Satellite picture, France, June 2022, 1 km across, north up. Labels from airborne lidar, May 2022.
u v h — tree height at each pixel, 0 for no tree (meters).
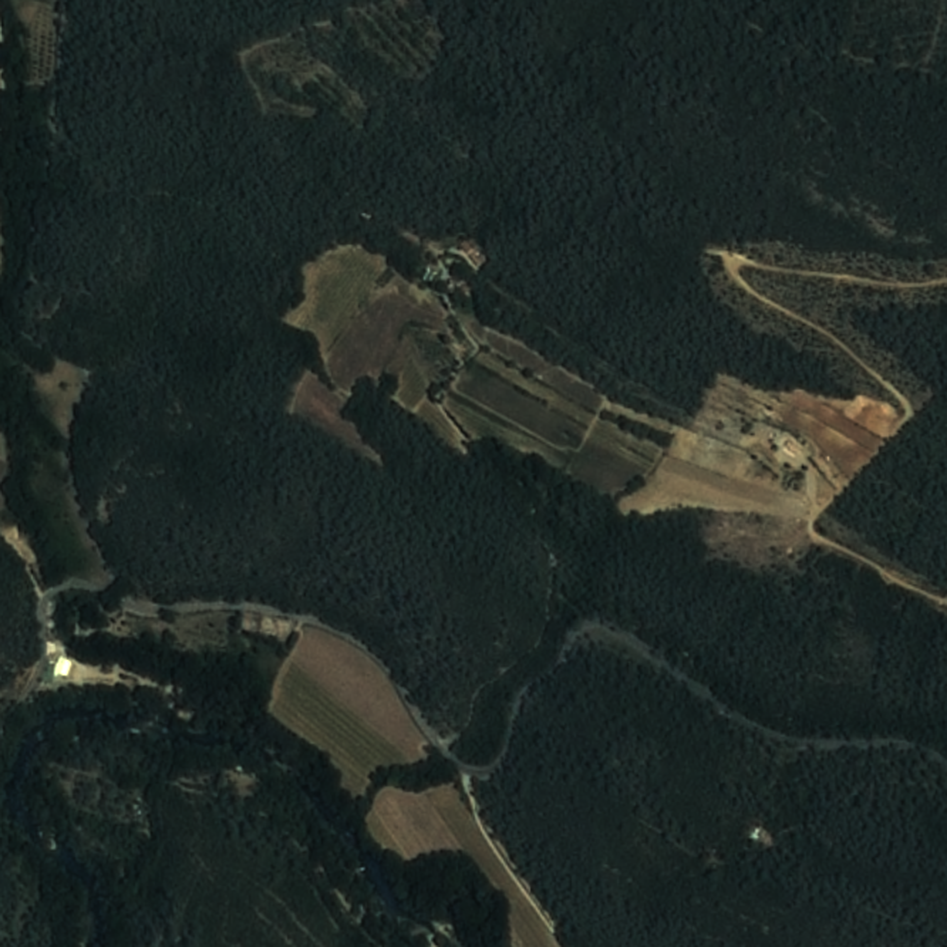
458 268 13
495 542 18
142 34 18
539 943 0
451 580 7
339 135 19
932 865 20
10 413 19
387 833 0
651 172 9
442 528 20
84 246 19
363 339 0
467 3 16
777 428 0
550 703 7
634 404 9
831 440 0
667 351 20
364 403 17
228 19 16
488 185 15
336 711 0
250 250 13
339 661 0
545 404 8
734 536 0
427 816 0
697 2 19
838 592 15
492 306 13
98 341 8
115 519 7
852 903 18
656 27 9
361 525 15
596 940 14
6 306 20
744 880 6
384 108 9
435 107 16
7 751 13
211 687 30
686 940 19
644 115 7
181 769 13
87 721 9
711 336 14
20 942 10
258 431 7
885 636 6
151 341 7
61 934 14
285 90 18
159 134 17
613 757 15
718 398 0
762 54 17
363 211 19
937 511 15
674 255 8
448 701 12
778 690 9
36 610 8
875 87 12
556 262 14
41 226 12
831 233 5
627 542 17
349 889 10
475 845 0
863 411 0
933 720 15
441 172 18
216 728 17
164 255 14
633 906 19
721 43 9
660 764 6
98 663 12
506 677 8
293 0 14
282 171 18
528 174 20
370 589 7
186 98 9
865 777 6
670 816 17
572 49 9
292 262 17
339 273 0
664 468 0
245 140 16
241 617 14
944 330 23
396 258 14
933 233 6
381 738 0
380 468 8
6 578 10
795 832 11
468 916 27
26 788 15
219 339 7
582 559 18
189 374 8
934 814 7
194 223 13
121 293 17
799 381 7
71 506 0
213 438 6
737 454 0
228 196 14
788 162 6
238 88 17
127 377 9
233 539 15
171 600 11
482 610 6
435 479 18
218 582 10
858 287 8
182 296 10
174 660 13
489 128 19
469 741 12
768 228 13
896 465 6
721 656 13
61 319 15
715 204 7
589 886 12
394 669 13
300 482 17
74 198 16
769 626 6
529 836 7
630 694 9
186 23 22
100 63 9
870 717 10
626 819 6
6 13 19
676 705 12
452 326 9
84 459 17
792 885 16
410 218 18
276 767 14
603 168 23
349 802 19
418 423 23
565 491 16
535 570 17
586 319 17
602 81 10
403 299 0
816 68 18
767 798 12
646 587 13
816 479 0
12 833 9
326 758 18
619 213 18
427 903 19
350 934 10
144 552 7
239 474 10
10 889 16
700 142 7
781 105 8
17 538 0
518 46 22
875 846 17
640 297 12
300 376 19
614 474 0
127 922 13
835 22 16
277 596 16
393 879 19
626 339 16
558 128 20
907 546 8
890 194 6
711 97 8
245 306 13
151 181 17
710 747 12
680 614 17
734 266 0
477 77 16
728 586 8
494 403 0
